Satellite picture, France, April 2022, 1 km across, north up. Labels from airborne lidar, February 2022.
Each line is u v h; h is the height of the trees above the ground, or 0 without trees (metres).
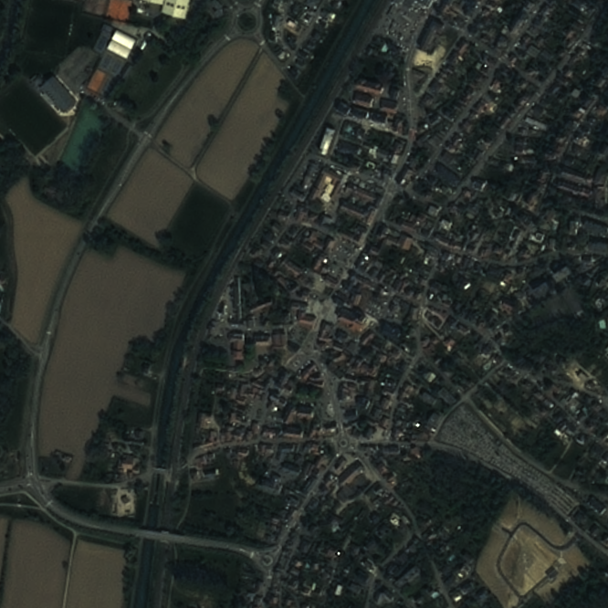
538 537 0
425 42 0
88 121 0
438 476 20
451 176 0
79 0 0
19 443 0
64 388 0
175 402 7
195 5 0
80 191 34
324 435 0
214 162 0
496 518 12
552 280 14
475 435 0
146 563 0
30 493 0
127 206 0
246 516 15
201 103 0
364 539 0
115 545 0
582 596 17
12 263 0
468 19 0
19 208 0
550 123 11
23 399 0
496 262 0
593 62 6
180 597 0
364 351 12
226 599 17
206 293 8
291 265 0
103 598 0
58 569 0
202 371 0
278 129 0
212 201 0
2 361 0
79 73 0
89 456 16
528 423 0
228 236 0
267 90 0
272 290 9
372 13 0
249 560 6
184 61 6
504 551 0
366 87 0
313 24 0
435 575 17
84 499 0
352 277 0
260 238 0
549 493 0
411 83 0
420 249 0
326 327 0
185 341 15
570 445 0
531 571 0
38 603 0
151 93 0
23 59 0
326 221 0
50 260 0
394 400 0
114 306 0
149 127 0
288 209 6
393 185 0
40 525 0
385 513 0
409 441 8
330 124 0
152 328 0
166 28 17
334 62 0
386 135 8
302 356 0
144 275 0
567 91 16
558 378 0
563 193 9
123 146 0
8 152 23
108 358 0
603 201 0
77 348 0
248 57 0
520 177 16
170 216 0
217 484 0
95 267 0
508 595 0
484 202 7
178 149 0
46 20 0
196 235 0
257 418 0
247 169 0
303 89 0
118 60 0
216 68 0
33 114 0
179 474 0
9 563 0
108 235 23
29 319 0
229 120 0
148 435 0
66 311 0
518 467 0
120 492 0
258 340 0
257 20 0
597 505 0
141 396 0
